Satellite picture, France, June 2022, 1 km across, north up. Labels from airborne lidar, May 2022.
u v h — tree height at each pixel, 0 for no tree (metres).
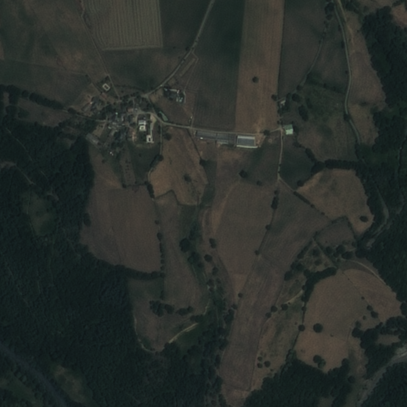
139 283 0
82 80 0
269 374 0
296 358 14
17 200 6
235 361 0
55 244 7
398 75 24
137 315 0
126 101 8
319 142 0
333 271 17
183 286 0
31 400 0
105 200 0
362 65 0
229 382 0
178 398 12
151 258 0
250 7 0
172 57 0
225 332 11
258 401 12
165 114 0
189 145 0
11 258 11
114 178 0
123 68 0
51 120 0
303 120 8
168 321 0
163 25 0
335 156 0
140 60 0
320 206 0
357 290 0
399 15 0
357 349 0
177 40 0
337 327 0
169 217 0
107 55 0
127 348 20
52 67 0
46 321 9
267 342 0
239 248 0
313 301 0
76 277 12
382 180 20
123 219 0
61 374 0
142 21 0
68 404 9
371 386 0
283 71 0
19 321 19
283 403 19
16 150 11
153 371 7
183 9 0
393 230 14
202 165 10
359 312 0
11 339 25
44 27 0
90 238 0
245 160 0
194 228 0
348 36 0
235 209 0
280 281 0
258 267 0
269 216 0
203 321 12
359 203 0
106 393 18
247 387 0
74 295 23
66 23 0
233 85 0
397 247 23
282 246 0
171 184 0
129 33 0
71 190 6
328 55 0
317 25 0
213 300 17
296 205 0
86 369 23
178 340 0
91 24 0
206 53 0
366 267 0
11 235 22
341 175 0
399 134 16
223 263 0
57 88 0
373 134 0
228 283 0
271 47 0
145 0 0
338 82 0
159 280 0
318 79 0
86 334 30
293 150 0
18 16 0
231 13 0
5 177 12
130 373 9
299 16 0
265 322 0
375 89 0
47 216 0
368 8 0
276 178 0
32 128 8
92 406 0
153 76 0
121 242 0
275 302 0
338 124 0
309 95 0
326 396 16
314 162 12
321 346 0
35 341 13
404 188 17
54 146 11
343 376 31
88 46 0
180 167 0
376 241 14
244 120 0
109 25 0
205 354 16
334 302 0
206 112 0
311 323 0
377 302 0
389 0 0
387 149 18
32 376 27
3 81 0
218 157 0
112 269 13
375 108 0
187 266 0
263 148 0
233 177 0
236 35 0
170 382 18
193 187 0
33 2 0
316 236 6
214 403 10
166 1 0
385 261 18
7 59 0
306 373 19
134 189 0
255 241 0
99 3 0
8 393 24
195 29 0
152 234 0
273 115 0
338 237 0
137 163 0
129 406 11
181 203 0
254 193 0
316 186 0
